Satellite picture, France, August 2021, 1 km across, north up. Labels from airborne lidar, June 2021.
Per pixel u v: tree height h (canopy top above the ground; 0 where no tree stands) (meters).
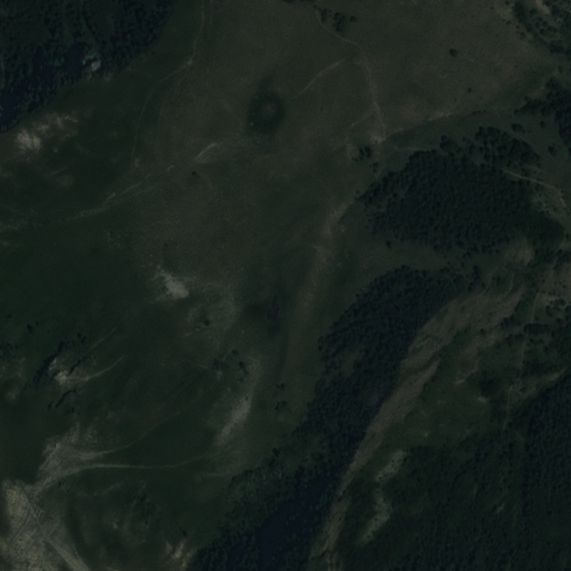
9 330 0
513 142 6
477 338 0
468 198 8
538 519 0
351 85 0
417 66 0
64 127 0
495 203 13
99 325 0
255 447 0
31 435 0
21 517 0
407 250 0
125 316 0
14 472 0
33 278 0
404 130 0
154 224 0
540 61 0
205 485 0
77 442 0
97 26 7
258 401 0
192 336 0
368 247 0
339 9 0
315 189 0
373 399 0
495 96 0
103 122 0
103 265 0
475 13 0
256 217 0
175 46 0
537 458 8
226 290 0
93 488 0
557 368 8
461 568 14
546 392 5
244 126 0
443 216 11
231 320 0
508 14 0
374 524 0
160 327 0
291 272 0
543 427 8
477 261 0
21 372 0
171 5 8
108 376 0
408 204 11
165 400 0
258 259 0
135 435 0
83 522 0
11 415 0
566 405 7
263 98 0
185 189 0
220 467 0
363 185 0
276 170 0
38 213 0
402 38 0
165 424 0
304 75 0
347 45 0
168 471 0
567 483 7
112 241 0
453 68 0
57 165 0
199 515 0
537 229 16
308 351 0
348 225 0
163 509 0
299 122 0
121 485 0
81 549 0
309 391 0
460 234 9
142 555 0
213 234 0
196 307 0
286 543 9
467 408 0
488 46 0
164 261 0
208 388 0
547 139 0
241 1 0
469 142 12
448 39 0
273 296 0
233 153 0
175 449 0
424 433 0
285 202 0
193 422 0
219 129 0
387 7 0
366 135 0
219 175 0
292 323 0
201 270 0
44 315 0
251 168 0
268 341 0
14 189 0
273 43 0
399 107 0
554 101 11
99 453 0
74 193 0
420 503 0
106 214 0
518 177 0
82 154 0
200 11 0
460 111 0
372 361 11
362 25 0
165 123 0
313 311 0
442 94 0
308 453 0
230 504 0
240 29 0
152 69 0
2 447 0
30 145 0
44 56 13
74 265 0
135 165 0
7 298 0
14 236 0
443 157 8
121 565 0
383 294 8
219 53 0
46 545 0
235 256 0
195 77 0
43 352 0
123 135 0
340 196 0
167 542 0
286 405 7
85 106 0
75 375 0
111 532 0
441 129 0
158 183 0
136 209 0
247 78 0
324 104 0
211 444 0
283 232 0
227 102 0
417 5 0
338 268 0
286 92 0
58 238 0
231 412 0
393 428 0
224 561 7
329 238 0
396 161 0
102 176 0
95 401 0
